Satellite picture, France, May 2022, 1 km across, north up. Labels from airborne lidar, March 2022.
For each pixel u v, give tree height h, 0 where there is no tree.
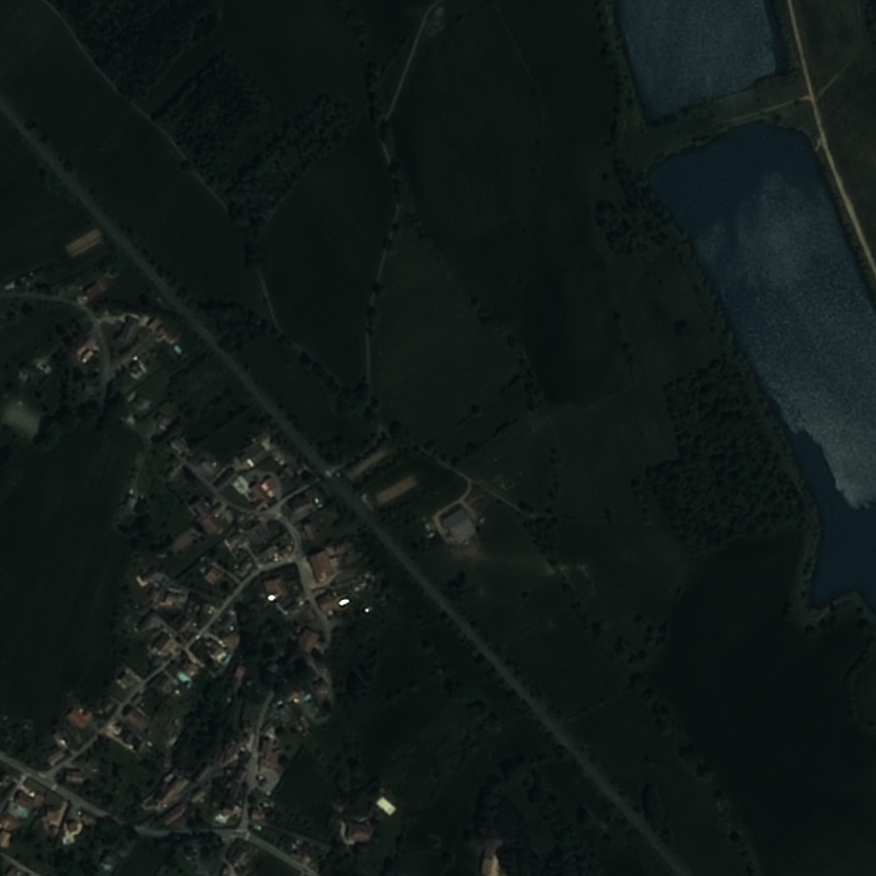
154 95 0
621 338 0
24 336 0
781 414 0
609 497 0
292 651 14
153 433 0
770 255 0
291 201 0
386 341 0
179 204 0
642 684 12
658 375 0
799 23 0
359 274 0
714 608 0
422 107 0
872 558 0
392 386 0
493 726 14
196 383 0
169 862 6
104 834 14
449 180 0
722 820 0
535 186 0
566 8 0
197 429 0
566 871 25
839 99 0
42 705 0
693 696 0
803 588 0
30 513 0
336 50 0
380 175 0
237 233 0
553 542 17
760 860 0
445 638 0
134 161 0
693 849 0
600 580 0
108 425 11
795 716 0
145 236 0
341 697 10
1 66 0
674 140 0
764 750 0
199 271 0
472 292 0
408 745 0
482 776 0
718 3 0
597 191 0
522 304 0
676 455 0
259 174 6
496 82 0
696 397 6
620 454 0
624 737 0
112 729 0
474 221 0
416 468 0
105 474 0
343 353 0
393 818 0
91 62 0
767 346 0
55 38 0
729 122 0
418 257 0
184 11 17
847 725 0
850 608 0
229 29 0
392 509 7
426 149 0
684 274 0
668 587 0
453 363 0
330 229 0
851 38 0
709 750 0
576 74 0
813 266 0
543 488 0
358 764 13
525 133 0
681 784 0
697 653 0
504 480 0
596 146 0
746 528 13
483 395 0
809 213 0
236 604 0
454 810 0
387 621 0
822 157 0
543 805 21
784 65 0
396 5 0
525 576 0
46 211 0
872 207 0
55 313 0
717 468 8
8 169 0
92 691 0
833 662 0
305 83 0
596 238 0
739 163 0
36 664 0
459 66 0
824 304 0
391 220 0
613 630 0
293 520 0
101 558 0
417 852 0
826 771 0
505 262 0
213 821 0
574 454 0
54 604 0
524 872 25
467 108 0
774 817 0
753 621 0
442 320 0
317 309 0
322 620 0
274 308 0
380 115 15
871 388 0
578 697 0
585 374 0
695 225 0
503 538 0
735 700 0
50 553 0
